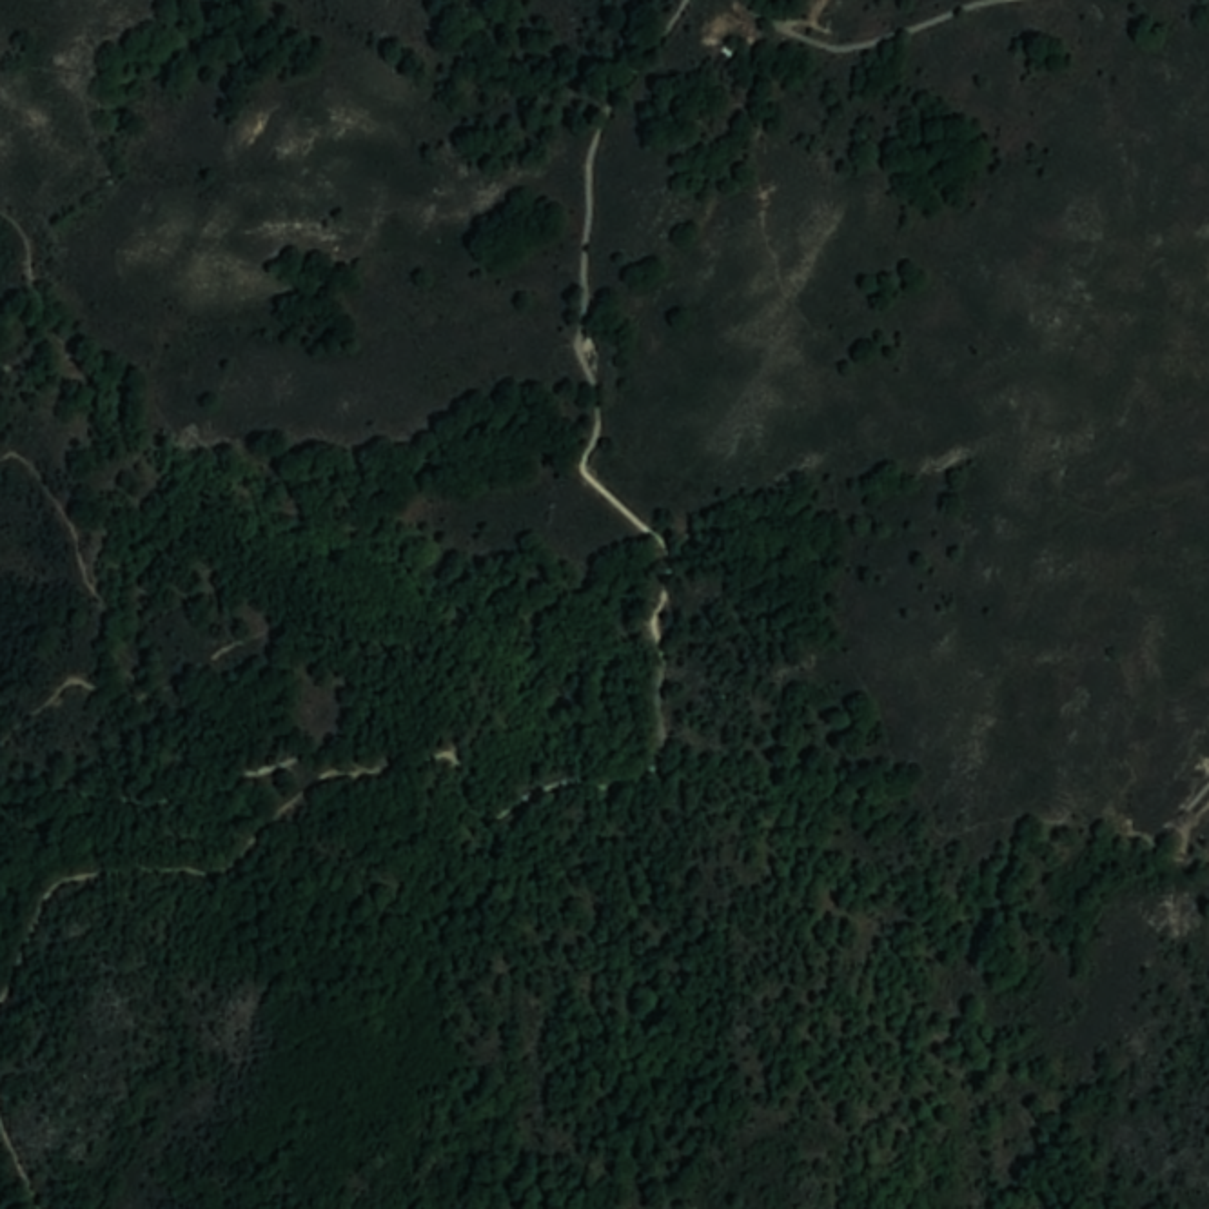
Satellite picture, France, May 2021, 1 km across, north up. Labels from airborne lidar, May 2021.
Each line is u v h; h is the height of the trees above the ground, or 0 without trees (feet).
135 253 0
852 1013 57
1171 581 0
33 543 23
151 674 55
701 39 0
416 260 0
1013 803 0
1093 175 0
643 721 56
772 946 50
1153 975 26
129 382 64
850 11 0
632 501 0
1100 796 0
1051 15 0
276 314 28
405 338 0
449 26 86
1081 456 0
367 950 32
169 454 52
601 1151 66
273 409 0
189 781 73
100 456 50
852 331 0
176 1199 24
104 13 0
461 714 40
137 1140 35
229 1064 32
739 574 76
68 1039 32
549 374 0
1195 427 0
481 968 58
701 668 0
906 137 36
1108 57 0
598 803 53
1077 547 0
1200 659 0
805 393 0
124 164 59
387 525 67
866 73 29
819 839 77
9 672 43
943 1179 57
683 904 22
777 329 0
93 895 36
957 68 0
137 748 62
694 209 0
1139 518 0
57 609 48
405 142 0
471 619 90
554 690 24
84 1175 22
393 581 74
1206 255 0
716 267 0
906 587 0
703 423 0
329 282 63
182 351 0
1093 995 0
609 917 64
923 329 0
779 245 0
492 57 87
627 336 61
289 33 35
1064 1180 70
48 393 46
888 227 0
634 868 60
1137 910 0
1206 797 0
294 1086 39
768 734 56
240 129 0
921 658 0
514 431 84
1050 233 0
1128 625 0
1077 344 0
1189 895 0
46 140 0
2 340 67
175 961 49
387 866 61
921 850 35
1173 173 0
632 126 0
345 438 0
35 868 58
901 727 0
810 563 56
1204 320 0
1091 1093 73
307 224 0
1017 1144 30
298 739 66
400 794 75
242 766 48
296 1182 21
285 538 66
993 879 78
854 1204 72
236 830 71
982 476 0
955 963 46
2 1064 31
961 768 0
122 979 22
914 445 0
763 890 55
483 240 85
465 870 85
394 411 0
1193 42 0
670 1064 38
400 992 55
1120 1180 62
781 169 0
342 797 77
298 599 53
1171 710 0
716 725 34
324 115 0
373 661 80
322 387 0
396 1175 24
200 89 0
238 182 0
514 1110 26
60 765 65
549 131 36
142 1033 27
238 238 0
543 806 63
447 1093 55
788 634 62
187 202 0
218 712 94
